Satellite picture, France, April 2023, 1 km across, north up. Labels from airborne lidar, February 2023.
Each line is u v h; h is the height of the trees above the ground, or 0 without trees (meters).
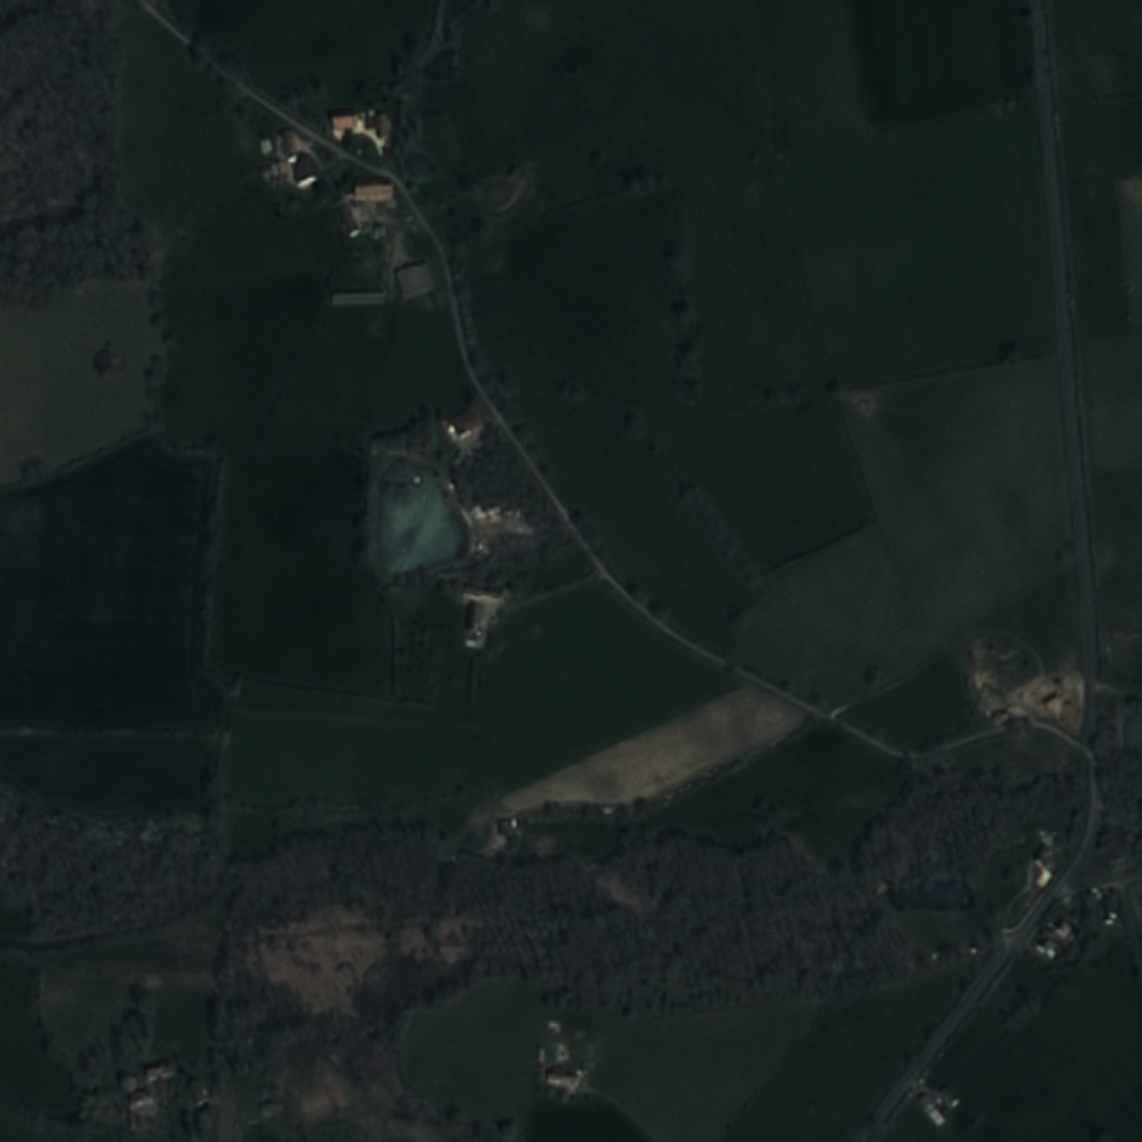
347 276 0
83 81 30
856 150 0
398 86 11
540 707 0
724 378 0
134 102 0
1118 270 0
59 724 0
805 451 0
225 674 0
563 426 0
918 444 0
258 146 0
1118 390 0
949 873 11
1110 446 0
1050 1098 0
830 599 0
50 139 25
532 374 0
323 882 8
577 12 0
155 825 6
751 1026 0
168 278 0
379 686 0
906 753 0
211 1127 0
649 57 0
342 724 0
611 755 0
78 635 0
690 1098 0
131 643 0
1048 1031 0
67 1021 0
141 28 0
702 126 0
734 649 0
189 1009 0
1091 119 0
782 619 0
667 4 0
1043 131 0
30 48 29
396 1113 0
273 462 0
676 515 0
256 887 17
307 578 0
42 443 0
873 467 0
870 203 0
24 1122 14
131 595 0
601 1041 0
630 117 0
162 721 0
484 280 0
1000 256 0
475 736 0
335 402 0
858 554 0
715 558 0
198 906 6
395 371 0
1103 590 0
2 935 0
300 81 0
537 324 0
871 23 0
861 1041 0
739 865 20
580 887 15
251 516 0
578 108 0
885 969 21
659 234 0
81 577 0
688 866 22
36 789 0
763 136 0
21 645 0
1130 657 0
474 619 0
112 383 0
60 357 0
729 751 0
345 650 0
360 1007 0
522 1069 0
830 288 0
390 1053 15
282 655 0
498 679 0
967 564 0
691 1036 0
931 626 0
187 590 0
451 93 0
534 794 0
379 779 0
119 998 0
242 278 0
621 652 0
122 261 25
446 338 0
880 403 0
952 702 0
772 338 0
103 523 0
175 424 0
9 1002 0
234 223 0
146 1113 0
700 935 7
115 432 0
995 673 0
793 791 0
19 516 0
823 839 0
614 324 0
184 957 0
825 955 22
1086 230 0
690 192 0
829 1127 0
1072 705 0
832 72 0
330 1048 7
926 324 0
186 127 0
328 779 0
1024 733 14
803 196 0
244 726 0
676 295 0
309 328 0
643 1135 0
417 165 0
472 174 0
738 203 0
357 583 0
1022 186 0
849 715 0
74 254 22
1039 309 0
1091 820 0
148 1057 15
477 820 0
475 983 17
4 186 14
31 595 0
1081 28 0
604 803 0
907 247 0
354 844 11
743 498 0
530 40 0
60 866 17
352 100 0
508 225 0
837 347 0
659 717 0
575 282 0
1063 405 0
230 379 0
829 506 0
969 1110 0
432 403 0
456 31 6
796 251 0
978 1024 0
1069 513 0
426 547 0
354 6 0
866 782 0
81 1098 7
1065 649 0
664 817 0
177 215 0
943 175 0
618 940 15
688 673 0
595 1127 0
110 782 0
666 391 0
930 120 0
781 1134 0
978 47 0
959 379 0
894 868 21
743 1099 0
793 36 0
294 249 0
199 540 0
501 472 17
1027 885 0
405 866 19
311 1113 0
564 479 0
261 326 0
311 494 0
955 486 0
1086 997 0
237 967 20
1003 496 0
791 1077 0
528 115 0
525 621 0
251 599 0
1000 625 0
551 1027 0
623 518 0
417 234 0
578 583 0
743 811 0
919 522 0
